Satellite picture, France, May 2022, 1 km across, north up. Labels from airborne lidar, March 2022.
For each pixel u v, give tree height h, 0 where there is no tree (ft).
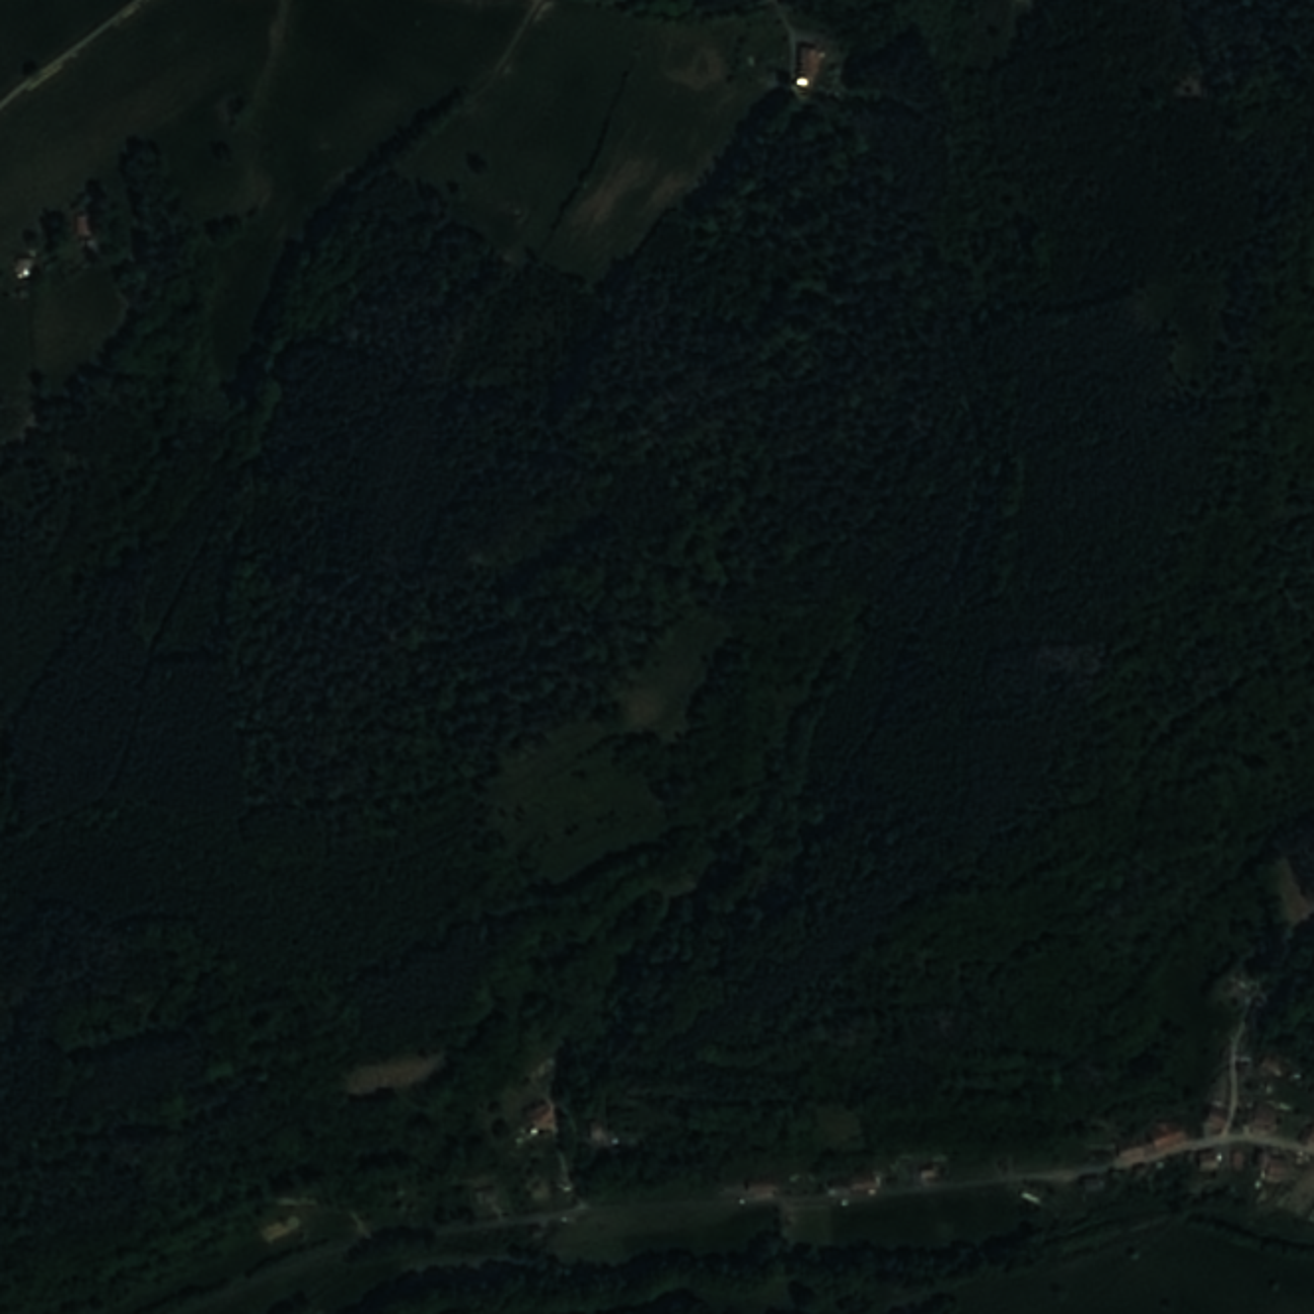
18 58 0
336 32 0
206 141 0
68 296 0
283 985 45
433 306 43
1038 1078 58
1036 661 87
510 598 94
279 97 0
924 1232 0
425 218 78
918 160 102
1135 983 53
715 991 70
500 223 0
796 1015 64
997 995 43
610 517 68
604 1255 0
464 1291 82
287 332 72
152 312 69
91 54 0
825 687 50
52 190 0
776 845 84
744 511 99
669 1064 48
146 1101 78
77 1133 59
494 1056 78
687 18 51
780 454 82
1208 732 50
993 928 68
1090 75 35
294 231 0
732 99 0
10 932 26
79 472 40
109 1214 61
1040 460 76
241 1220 70
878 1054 49
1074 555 74
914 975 39
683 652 0
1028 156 27
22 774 71
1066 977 44
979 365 66
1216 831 54
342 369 103
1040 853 51
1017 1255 59
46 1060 79
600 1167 69
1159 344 67
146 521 61
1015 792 51
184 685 70
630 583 126
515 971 81
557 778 0
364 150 0
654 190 0
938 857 63
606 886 56
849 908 73
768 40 0
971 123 39
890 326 92
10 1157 69
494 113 0
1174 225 25
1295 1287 0
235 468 42
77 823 36
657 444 66
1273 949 91
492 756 82
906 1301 0
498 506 80
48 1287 40
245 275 0
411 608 88
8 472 41
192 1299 38
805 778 55
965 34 38
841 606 70
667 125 0
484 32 0
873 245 36
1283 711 43
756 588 70
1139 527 60
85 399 59
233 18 0
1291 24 110
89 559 37
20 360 0
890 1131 47
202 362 76
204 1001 59
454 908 58
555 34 0
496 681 112
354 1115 47
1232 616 40
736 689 56
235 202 0
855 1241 0
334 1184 51
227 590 83
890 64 99
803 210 82
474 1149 62
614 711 51
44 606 45
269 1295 0
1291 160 62
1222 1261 0
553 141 0
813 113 28
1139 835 43
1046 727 53
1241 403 52
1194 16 96
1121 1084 56
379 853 28
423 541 56
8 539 49
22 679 51
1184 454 61
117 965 58
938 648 52
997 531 69
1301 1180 0
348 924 36
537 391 21
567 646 114
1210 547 38
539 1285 73
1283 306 63
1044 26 44
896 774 44
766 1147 72
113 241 60
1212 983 23
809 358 115
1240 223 30
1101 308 68
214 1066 80
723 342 117
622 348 95
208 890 36
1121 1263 0
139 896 33
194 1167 47
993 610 57
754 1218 0
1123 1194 24
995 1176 0
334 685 90
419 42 0
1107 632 41
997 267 32
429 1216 0
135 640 62
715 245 36
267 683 76
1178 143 31
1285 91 55
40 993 56
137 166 63
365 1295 0
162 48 0
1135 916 49
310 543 41
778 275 30
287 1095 41
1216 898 33
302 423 105
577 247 0
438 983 75
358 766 93
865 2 25
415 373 95
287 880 33
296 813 53
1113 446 68
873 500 93
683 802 85
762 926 69
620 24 0
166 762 66
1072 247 31
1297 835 88
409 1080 0
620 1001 23
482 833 18
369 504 75
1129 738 45
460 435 85
